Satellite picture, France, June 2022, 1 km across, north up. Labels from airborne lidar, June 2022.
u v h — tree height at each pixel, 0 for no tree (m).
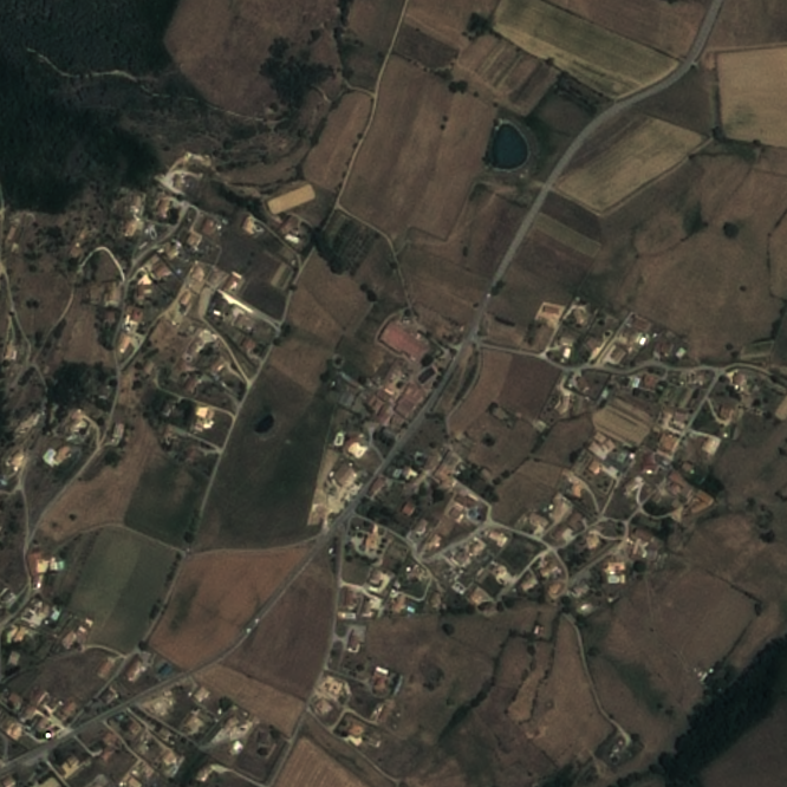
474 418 0
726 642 0
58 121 17
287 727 0
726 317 0
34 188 9
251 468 0
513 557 0
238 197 9
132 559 0
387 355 0
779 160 0
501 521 0
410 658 0
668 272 0
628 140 0
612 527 0
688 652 0
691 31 0
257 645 0
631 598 0
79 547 0
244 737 0
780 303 0
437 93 0
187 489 0
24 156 7
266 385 0
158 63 8
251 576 0
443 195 0
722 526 0
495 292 9
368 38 0
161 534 0
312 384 0
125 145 6
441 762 0
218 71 0
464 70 0
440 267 0
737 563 0
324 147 0
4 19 10
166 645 0
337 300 0
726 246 0
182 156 0
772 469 0
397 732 0
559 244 0
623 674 0
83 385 10
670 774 10
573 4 0
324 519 0
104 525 0
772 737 0
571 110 0
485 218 0
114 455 7
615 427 0
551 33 0
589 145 0
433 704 0
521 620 0
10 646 6
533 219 0
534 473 0
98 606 0
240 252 0
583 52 0
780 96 0
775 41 0
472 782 0
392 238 0
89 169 8
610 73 0
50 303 0
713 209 0
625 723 0
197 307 0
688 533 0
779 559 0
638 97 0
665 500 0
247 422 0
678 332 0
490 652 0
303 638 0
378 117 0
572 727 0
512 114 0
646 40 0
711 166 0
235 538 0
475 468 6
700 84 0
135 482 0
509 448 0
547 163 0
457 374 0
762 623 0
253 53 0
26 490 0
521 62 0
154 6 9
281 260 0
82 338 0
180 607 0
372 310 0
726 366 0
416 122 0
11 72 10
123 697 8
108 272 0
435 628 0
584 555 11
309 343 0
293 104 8
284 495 0
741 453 0
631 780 13
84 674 0
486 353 0
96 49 18
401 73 0
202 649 0
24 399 0
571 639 0
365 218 0
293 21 0
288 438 0
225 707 9
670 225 0
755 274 0
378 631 0
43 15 10
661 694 0
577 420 0
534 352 0
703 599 0
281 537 0
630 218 0
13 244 0
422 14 0
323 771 0
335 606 0
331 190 0
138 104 9
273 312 0
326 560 0
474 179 0
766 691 8
